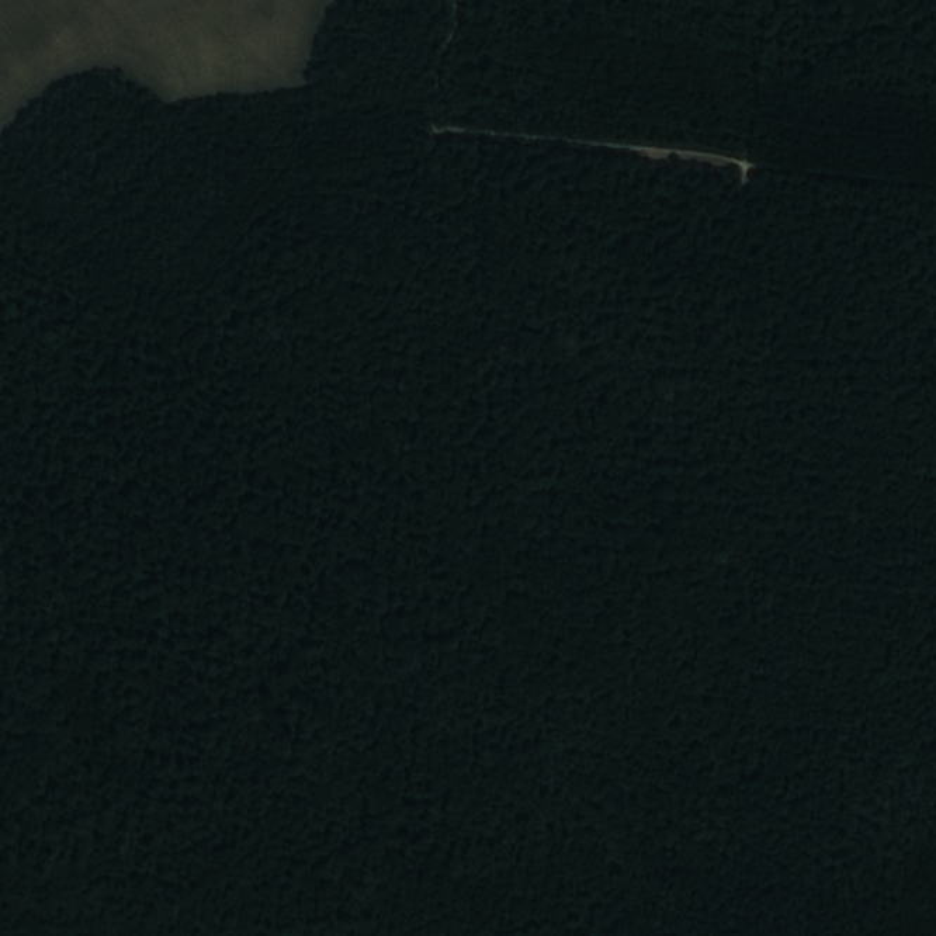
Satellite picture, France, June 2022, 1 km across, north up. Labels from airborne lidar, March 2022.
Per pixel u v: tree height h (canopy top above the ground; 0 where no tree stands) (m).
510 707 17
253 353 18
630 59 8
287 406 18
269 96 11
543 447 20
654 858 19
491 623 19
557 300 17
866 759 20
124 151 14
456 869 21
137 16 0
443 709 19
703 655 19
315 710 21
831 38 14
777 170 15
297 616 18
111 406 15
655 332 17
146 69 0
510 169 24
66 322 17
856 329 20
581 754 17
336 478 18
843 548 21
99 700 21
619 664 18
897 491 19
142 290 15
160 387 21
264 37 0
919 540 21
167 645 21
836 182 19
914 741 20
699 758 18
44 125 17
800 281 18
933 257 21
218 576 19
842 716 19
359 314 17
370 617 17
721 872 15
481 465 20
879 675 17
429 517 19
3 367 18
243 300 15
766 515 21
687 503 19
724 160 0
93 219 11
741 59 6
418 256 21
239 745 22
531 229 19
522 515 23
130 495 23
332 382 13
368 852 21
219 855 19
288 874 19
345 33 7
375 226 19
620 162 15
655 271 11
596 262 8
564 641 18
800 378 20
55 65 0
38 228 17
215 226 16
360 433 23
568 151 26
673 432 18
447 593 17
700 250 20
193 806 19
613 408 18
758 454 16
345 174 6
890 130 15
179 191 13
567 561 19
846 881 20
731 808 17
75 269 18
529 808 17
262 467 22
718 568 17
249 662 16
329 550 22
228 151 17
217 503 20
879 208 14
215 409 14
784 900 19
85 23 0
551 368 23
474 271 17
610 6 9
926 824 17
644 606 19
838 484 19
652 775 17
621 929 19
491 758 22
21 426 19
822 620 19
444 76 15
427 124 12
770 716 19
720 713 19
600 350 17
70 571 18
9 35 0
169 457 19
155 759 23
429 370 18
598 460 18
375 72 11
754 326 18
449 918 15
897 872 16
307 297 18
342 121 10
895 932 13
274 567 18
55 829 11
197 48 0
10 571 21
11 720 23
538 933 20
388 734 20
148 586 19
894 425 19
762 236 18
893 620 22
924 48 19
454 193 18
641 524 22
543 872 8
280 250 20
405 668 19
